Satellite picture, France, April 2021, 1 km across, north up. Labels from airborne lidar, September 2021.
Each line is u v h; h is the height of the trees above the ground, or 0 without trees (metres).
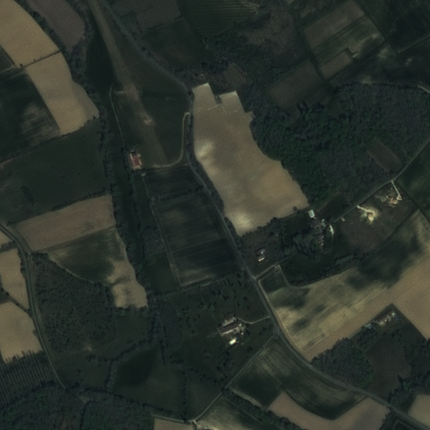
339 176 22
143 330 0
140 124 0
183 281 0
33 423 17
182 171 0
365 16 0
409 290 0
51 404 20
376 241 0
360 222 0
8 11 0
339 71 0
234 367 11
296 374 0
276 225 16
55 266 8
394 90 15
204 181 14
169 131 0
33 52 0
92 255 0
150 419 22
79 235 0
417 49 0
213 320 0
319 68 0
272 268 0
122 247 0
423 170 0
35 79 0
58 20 0
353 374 16
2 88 0
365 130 19
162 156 0
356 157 24
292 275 9
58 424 12
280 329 0
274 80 12
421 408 0
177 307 0
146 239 16
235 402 11
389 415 8
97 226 0
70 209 0
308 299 0
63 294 6
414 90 16
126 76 0
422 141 17
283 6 16
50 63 0
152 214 0
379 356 0
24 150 0
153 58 15
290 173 17
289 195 0
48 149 0
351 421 0
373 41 0
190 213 0
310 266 0
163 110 0
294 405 0
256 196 0
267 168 0
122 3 0
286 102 0
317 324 0
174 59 0
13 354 0
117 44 0
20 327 0
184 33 0
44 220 0
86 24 15
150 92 0
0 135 0
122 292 0
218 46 13
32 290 0
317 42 0
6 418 25
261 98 15
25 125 0
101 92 0
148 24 0
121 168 0
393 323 0
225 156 0
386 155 0
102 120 15
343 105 13
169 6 0
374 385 0
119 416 18
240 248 12
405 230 0
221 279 6
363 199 0
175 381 0
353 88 16
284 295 0
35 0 0
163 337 18
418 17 0
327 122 23
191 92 9
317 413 0
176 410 0
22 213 0
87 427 13
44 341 0
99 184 0
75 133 0
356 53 0
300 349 0
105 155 18
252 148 0
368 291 0
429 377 15
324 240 10
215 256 0
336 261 11
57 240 0
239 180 0
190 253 0
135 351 16
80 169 0
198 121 0
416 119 20
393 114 21
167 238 0
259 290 0
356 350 19
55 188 0
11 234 0
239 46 8
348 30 0
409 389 17
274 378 0
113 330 7
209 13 0
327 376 18
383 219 0
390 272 0
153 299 18
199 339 0
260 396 0
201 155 0
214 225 0
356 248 0
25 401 18
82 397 16
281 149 22
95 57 0
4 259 0
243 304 0
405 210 0
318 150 9
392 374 0
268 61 9
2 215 0
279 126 20
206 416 0
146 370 0
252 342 0
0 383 19
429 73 0
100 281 0
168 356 9
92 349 0
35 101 0
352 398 0
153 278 0
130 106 0
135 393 0
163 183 0
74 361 0
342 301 0
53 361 0
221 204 14
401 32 0
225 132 0
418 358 0
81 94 0
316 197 17
